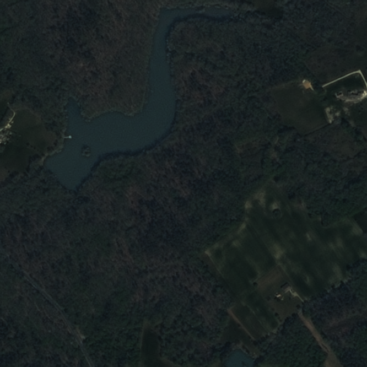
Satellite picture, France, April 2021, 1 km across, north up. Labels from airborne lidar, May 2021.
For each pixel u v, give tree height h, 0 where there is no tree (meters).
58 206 18
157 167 14
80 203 14
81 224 18
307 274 0
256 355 0
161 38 0
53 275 13
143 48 21
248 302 0
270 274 0
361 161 16
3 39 20
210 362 19
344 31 7
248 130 15
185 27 12
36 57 28
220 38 19
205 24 22
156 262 8
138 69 19
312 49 9
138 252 19
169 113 0
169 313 22
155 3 18
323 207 19
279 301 7
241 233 0
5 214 22
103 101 15
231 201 16
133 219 17
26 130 0
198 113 15
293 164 18
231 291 0
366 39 0
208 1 24
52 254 16
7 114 12
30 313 15
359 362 19
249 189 19
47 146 0
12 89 20
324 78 0
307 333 18
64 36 17
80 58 10
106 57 12
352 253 0
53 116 12
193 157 13
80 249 13
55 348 17
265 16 10
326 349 11
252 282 0
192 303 12
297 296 0
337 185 19
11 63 21
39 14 17
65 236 15
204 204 20
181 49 26
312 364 22
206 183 14
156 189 15
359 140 18
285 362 26
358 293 19
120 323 18
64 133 19
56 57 16
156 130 0
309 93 0
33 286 18
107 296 13
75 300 12
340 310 27
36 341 21
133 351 19
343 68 0
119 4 14
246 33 27
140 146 0
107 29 12
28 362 14
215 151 14
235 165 20
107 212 12
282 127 9
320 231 0
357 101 0
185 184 8
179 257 8
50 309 16
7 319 14
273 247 0
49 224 16
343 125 14
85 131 0
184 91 14
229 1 17
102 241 17
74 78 18
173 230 22
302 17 20
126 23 15
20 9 23
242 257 0
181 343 9
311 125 0
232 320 0
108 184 20
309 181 15
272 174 17
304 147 19
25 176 15
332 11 8
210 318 13
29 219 22
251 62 15
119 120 0
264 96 10
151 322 20
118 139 0
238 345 14
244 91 16
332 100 0
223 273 0
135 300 10
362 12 0
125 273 14
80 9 8
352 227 0
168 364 0
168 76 0
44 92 25
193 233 14
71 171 0
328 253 0
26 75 24
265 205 0
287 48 23
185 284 10
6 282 18
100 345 13
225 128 14
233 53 15
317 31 10
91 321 12
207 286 11
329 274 0
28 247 15
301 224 0
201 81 6
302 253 0
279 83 23
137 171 16
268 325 0
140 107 18
